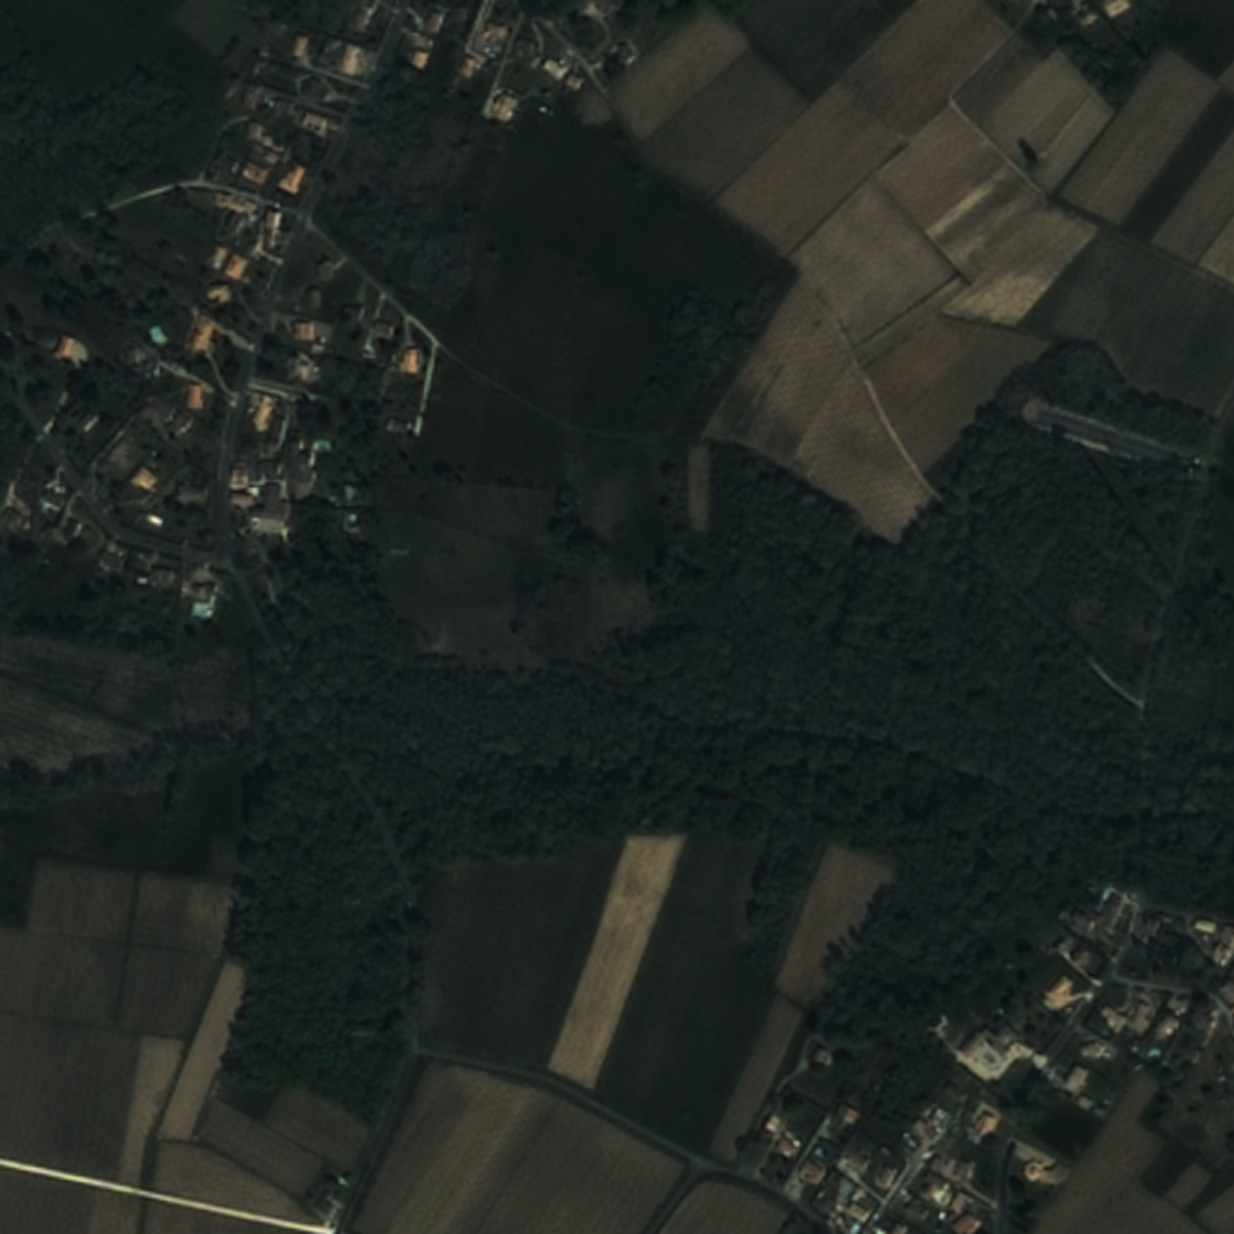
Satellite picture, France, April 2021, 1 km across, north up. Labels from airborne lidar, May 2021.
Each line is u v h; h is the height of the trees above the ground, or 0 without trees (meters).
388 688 20
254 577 18
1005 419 20
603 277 0
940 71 0
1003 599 22
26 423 15
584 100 0
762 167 0
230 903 0
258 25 7
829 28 0
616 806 28
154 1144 0
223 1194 0
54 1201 0
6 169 6
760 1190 0
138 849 0
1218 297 0
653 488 0
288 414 9
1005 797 20
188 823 0
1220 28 0
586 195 0
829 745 26
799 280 0
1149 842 10
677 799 26
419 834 8
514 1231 0
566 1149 0
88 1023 0
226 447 0
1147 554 20
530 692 9
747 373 0
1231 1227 0
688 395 0
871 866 0
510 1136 0
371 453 9
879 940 16
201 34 0
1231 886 0
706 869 0
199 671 0
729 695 15
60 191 16
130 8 0
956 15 0
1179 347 0
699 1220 0
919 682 28
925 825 20
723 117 0
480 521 0
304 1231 0
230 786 0
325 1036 27
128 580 6
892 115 0
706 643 23
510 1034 0
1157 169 0
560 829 20
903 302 0
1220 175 0
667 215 0
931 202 0
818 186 0
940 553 13
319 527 7
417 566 0
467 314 0
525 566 0
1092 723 10
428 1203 0
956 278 0
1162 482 19
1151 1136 0
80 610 10
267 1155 0
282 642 10
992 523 15
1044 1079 13
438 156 0
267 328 0
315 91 0
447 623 0
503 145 0
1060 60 0
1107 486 21
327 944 21
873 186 0
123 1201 0
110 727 0
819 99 0
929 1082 0
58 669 0
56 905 0
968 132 0
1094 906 8
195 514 13
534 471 0
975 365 0
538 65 0
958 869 18
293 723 20
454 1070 0
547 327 0
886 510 0
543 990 0
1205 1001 17
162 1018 0
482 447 0
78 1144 0
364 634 16
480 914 0
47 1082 0
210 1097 0
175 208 6
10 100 7
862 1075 9
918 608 23
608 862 0
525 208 0
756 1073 0
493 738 23
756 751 31
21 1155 0
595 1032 0
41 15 0
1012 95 0
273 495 0
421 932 20
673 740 22
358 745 19
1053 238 0
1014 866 23
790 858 17
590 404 0
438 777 22
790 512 20
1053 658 17
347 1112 13
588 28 11
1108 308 0
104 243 7
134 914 0
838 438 0
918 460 0
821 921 0
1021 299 0
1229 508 0
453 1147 0
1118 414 13
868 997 18
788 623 22
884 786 25
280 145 6
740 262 0
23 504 0
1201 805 22
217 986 0
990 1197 0
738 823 26
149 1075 0
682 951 0
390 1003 23
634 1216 0
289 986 20
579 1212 0
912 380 0
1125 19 0
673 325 6
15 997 0
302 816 14
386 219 11
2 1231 0
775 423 0
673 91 0
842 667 24
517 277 0
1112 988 0
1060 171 0
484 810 23
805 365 0
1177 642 15
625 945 0
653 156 0
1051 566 7
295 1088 14
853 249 0
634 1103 0
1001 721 23
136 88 10
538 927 0
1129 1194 0
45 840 0
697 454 0
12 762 0
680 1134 0
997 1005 0
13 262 13
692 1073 0
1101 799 19
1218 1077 0
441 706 22
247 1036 16
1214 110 0
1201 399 0
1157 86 0
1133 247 0
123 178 15
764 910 13
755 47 0
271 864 20
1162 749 17
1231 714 0
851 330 0
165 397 7
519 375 0
